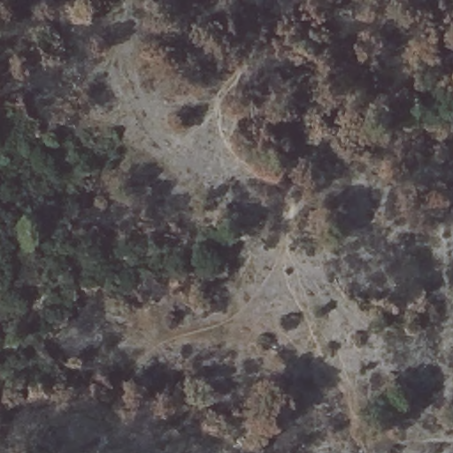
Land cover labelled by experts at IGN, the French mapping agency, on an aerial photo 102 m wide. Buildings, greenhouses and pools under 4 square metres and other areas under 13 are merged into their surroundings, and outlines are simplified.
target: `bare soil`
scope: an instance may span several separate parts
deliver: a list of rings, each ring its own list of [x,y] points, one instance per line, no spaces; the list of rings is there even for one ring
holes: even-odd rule
[[[430,248],[418,248],[414,242],[414,234],[407,234],[409,225],[395,225],[395,221],[386,216],[388,182],[393,175],[391,165],[386,159],[380,161],[372,159],[370,154],[365,154],[357,156],[357,161],[347,163],[352,177],[349,175],[334,179],[329,188],[322,189],[322,193],[327,196],[324,202],[327,223],[333,223],[342,232],[336,239],[333,253],[329,250],[320,250],[315,255],[306,255],[290,251],[292,241],[288,239],[288,221],[283,212],[288,211],[285,200],[288,188],[292,186],[292,179],[283,179],[280,161],[274,150],[255,147],[246,152],[244,149],[237,149],[230,142],[239,120],[255,117],[258,113],[255,104],[242,106],[242,92],[237,88],[239,81],[246,83],[250,80],[248,65],[242,62],[241,67],[219,85],[202,87],[189,83],[179,74],[172,73],[172,67],[165,60],[170,48],[157,48],[156,42],[140,41],[136,44],[127,39],[126,42],[104,51],[103,62],[94,67],[97,74],[108,73],[108,87],[115,94],[115,106],[111,111],[104,110],[103,106],[96,106],[90,110],[90,117],[101,120],[104,126],[124,126],[126,147],[129,145],[134,149],[149,152],[150,156],[156,159],[157,165],[163,166],[159,179],[177,180],[172,189],[175,195],[188,193],[189,205],[193,207],[191,221],[195,221],[196,225],[218,225],[219,216],[226,212],[230,219],[230,232],[242,237],[244,248],[241,257],[244,258],[244,264],[235,274],[234,281],[226,283],[226,290],[230,294],[230,303],[226,306],[226,311],[212,310],[211,304],[203,299],[202,292],[196,285],[191,285],[189,292],[175,294],[179,281],[170,281],[168,292],[159,301],[149,301],[147,306],[136,308],[134,311],[129,311],[124,299],[106,299],[106,319],[126,324],[124,338],[120,338],[117,333],[111,333],[101,342],[88,345],[85,349],[65,350],[69,356],[67,368],[71,370],[65,375],[64,386],[55,384],[53,393],[44,393],[42,384],[37,384],[34,388],[28,389],[30,402],[27,405],[4,405],[0,409],[0,453],[453,453],[453,285],[442,285],[442,274],[435,269],[435,264],[439,260],[453,260],[453,225],[446,223],[437,226],[439,248],[435,248],[434,251]],[[393,426],[391,430],[382,430],[380,423],[377,426],[366,425],[359,416],[359,409],[370,405],[373,396],[384,395],[388,389],[395,386],[398,386],[407,402],[407,411],[402,412],[400,425]]]
[[[74,25],[90,25],[92,14],[96,18],[104,18],[122,0],[2,0],[5,9],[11,12],[11,18],[18,21],[30,18],[34,14],[35,5],[41,2],[48,4],[50,11],[53,11],[53,5],[65,5],[69,21]]]

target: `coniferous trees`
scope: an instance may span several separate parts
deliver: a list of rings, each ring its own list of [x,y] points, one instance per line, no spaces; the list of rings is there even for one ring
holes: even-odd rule
[[[442,274],[442,285],[453,285],[453,260],[439,260],[435,264],[435,269]]]
[[[395,386],[388,389],[384,395],[373,396],[370,405],[359,409],[359,416],[366,425],[377,426],[380,423],[382,430],[391,430],[393,426],[400,425],[402,412],[407,411],[407,402],[398,386]]]
[[[196,285],[202,292],[203,299],[211,304],[212,310],[226,311],[226,306],[230,303],[230,294],[226,290],[226,283],[234,281],[235,274],[244,264],[244,258],[241,257],[244,248],[242,237],[230,232],[230,219],[226,212],[219,216],[218,225],[196,225],[195,221],[191,221],[193,207],[189,205],[188,193],[175,195],[172,189],[177,180],[159,179],[163,166],[157,165],[156,159],[150,156],[149,152],[134,149],[129,145],[126,147],[124,126],[104,126],[101,120],[90,117],[90,110],[96,106],[103,106],[104,110],[111,111],[115,106],[115,94],[108,87],[108,73],[97,74],[94,67],[103,62],[104,51],[126,42],[127,39],[136,44],[140,41],[156,42],[157,48],[170,48],[165,60],[172,67],[172,73],[179,74],[189,83],[202,87],[219,85],[241,67],[242,62],[248,65],[250,80],[246,83],[239,81],[237,88],[242,92],[242,106],[255,104],[258,113],[255,117],[239,120],[230,142],[237,149],[244,149],[246,152],[255,147],[274,150],[280,161],[283,179],[292,179],[292,186],[288,188],[285,200],[288,211],[283,212],[288,221],[288,239],[292,241],[290,251],[306,255],[315,255],[320,250],[329,250],[333,253],[336,239],[342,232],[333,223],[327,223],[324,202],[327,196],[322,193],[322,189],[329,188],[334,179],[349,175],[352,177],[347,163],[357,161],[357,156],[365,154],[370,154],[372,159],[380,161],[386,159],[391,165],[393,175],[388,182],[386,216],[395,221],[395,225],[409,225],[407,234],[414,234],[414,242],[418,248],[430,248],[434,251],[435,248],[439,248],[437,226],[446,223],[453,225],[453,0],[122,0],[104,18],[96,18],[92,14],[90,25],[74,25],[69,21],[65,5],[53,5],[53,11],[50,11],[48,4],[41,2],[35,5],[34,14],[30,18],[18,21],[11,18],[11,12],[5,9],[2,0],[0,0],[0,409],[4,405],[27,405],[30,402],[28,389],[34,388],[37,384],[42,384],[44,393],[53,393],[55,384],[64,386],[65,375],[71,370],[67,368],[69,356],[65,350],[85,349],[88,345],[101,342],[111,333],[117,333],[120,338],[124,338],[126,324],[106,319],[106,299],[124,299],[129,311],[134,311],[136,308],[147,306],[149,301],[159,301],[168,292],[170,281],[179,281],[175,294],[189,292],[191,285]]]

